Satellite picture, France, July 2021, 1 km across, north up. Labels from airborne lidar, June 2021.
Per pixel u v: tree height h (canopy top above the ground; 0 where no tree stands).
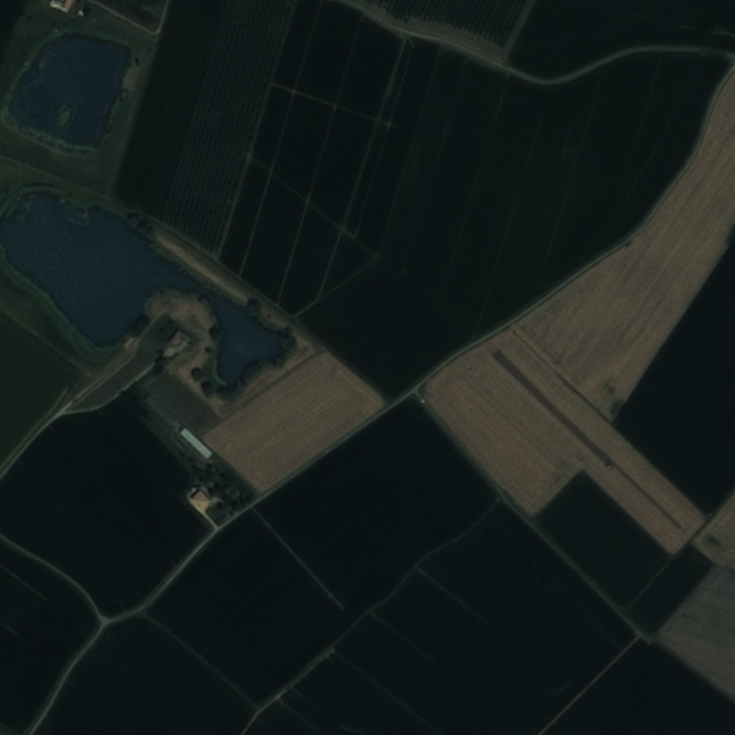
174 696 0
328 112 0
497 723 0
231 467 0
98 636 0
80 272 0
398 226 0
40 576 0
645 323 0
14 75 0
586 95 0
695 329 0
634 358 0
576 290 0
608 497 0
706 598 0
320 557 0
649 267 0
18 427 0
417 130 0
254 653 0
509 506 0
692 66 0
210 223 9
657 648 0
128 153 0
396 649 0
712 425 0
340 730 0
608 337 0
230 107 8
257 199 0
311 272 0
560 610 0
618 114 0
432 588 0
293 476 0
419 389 0
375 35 0
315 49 0
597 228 0
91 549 0
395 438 0
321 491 0
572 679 0
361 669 0
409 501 0
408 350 0
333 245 0
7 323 0
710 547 0
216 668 0
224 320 0
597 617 0
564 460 0
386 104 0
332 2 0
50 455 0
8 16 0
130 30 0
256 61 7
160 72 0
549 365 0
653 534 0
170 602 0
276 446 0
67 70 0
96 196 0
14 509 0
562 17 0
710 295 0
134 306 0
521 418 0
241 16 7
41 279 0
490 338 0
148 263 0
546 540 0
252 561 0
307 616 0
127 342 0
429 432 0
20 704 0
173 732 0
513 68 0
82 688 0
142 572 0
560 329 0
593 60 0
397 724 0
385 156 0
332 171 0
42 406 0
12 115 0
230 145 8
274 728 0
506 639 0
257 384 0
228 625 0
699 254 0
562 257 0
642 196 0
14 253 0
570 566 0
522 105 0
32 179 0
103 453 0
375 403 0
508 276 0
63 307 0
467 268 0
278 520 0
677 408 0
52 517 0
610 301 0
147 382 0
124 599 0
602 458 0
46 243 0
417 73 0
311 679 0
